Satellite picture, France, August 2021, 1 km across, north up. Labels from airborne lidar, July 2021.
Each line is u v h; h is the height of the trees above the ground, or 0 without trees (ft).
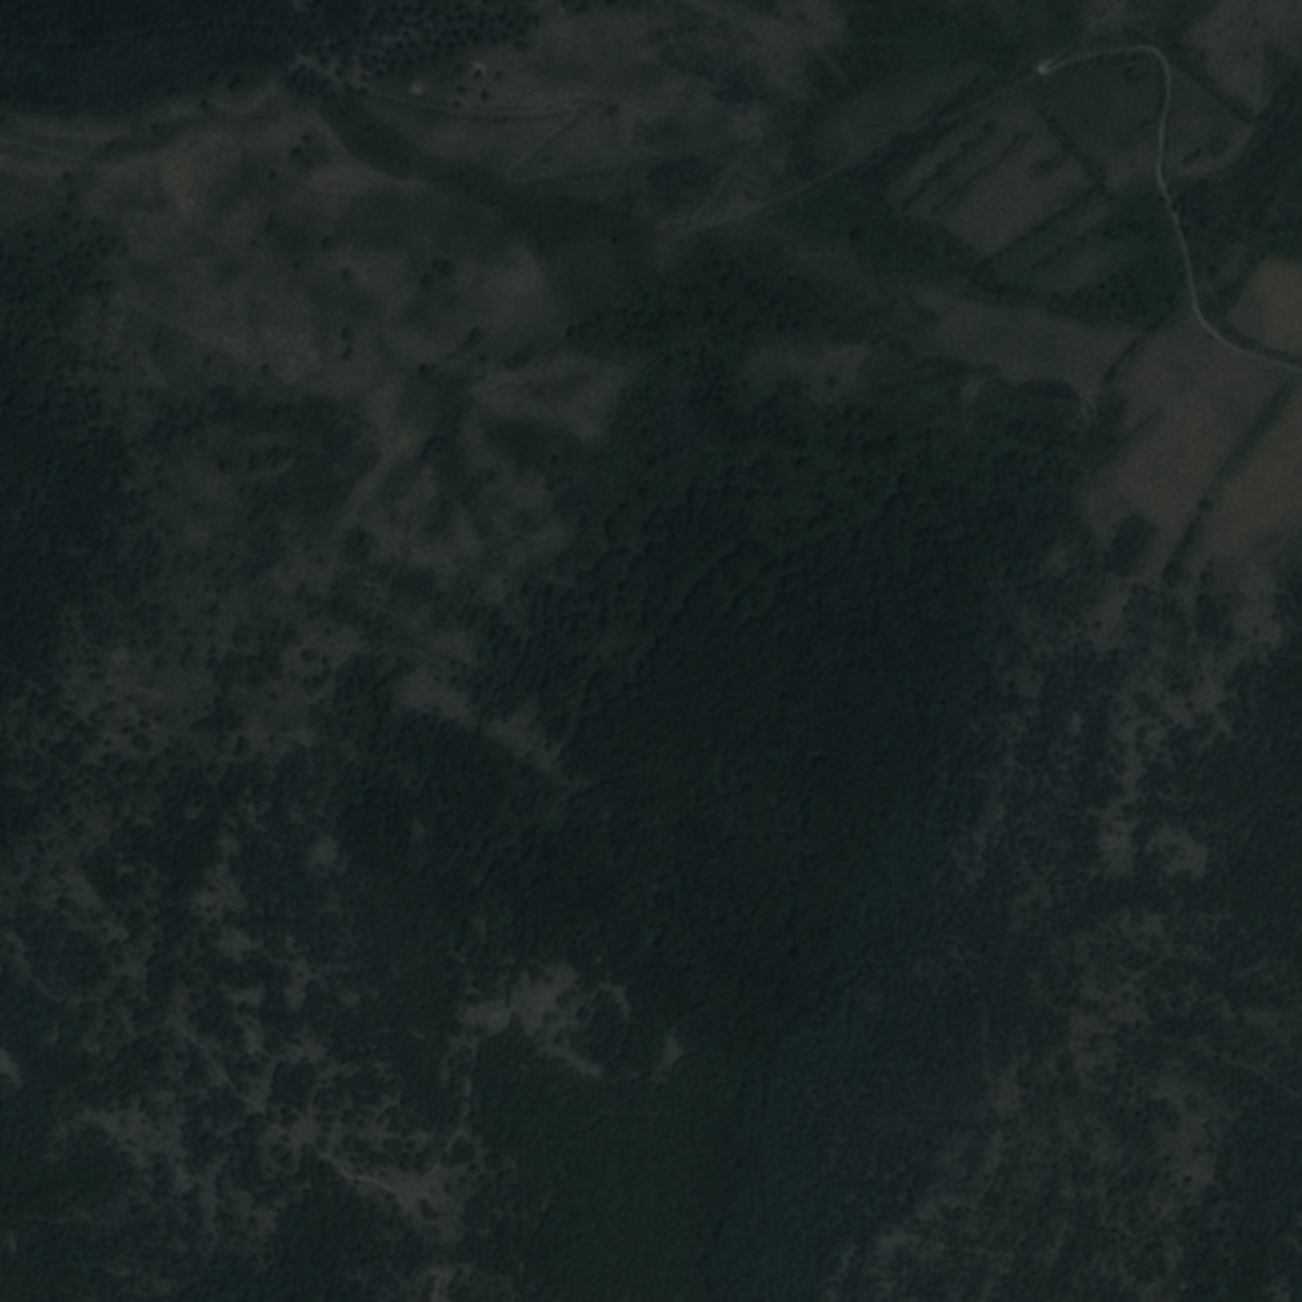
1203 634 21
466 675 30
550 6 0
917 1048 21
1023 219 0
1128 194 0
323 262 0
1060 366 0
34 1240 35
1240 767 20
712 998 74
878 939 24
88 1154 24
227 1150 20
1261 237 0
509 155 0
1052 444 23
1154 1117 29
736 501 52
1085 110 0
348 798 25
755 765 39
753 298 24
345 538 0
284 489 21
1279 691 28
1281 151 0
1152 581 0
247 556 0
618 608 38
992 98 25
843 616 64
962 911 19
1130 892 21
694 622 56
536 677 37
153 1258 26
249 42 37
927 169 0
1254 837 20
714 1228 41
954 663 38
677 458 38
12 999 31
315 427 0
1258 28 0
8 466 37
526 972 24
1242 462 0
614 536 41
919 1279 18
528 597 42
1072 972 24
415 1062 19
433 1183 0
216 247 0
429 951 32
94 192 0
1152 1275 22
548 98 0
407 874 37
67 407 30
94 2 45
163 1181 19
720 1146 48
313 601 21
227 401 32
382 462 0
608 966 21
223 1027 30
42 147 0
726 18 0
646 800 36
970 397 0
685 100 0
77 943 30
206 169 0
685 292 20
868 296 0
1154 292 0
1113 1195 24
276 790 21
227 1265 24
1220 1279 43
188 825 27
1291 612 21
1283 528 0
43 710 24
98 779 21
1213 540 0
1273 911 22
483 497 0
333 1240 32
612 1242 31
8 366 38
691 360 29
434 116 0
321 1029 20
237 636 18
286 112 0
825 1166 20
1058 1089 18
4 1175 57
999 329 0
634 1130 35
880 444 31
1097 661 22
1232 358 0
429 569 0
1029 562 27
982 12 0
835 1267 18
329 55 23
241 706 0
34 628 31
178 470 0
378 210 0
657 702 60
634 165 0
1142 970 20
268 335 0
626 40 0
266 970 20
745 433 27
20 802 26
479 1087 27
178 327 0
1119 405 0
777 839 68
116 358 21
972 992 27
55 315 30
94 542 30
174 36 36
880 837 42
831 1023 24
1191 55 0
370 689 39
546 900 46
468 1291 20
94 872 32
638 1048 36
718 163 0
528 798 29
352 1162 22
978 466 22
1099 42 0
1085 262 0
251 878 23
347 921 20
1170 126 0
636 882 57
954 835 27
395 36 32
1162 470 0
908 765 55
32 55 36
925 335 0
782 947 73
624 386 0
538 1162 30
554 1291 21
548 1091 31
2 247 29
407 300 0
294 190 0
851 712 71
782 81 0
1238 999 22
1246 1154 21
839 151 0
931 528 19
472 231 0
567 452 0
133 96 31
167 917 44
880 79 0
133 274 0
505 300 0
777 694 73
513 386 0
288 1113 20
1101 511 0
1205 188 0
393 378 0
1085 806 19
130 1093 29
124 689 0
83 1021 21
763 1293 26
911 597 53
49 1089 30
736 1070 51
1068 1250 25
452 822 37
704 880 80
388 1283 22
